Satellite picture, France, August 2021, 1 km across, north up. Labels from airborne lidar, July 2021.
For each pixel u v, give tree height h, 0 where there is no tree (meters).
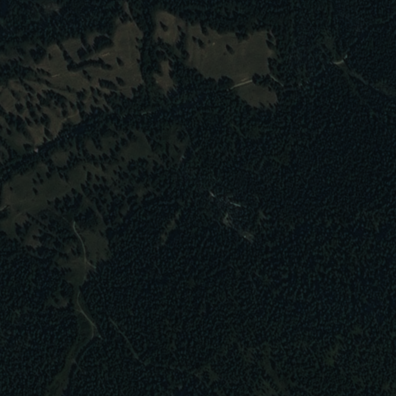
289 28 17
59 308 0
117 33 0
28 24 24
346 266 7
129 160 0
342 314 23
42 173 0
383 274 12
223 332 22
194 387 11
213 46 0
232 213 11
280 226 20
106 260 0
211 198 17
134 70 0
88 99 0
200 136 11
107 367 11
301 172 21
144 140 0
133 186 12
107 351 24
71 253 0
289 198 18
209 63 0
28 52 0
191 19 18
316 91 25
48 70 0
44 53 14
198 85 8
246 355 8
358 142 15
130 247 28
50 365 16
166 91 0
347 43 18
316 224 18
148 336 16
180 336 13
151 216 25
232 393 17
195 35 0
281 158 18
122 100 14
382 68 14
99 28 11
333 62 10
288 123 21
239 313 13
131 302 18
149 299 15
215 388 14
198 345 11
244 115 19
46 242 19
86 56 22
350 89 17
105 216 16
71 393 17
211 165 8
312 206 24
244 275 20
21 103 0
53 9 0
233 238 17
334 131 13
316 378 14
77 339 15
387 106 16
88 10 23
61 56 0
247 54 0
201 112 24
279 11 28
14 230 0
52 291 22
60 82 0
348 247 27
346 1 16
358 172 14
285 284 21
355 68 16
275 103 0
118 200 18
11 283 27
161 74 15
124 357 10
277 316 19
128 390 19
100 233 0
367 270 26
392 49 12
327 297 17
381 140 16
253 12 21
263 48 0
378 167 23
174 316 15
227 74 0
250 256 14
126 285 16
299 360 15
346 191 15
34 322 16
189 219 20
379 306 11
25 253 17
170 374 25
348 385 15
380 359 22
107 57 0
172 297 23
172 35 0
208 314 10
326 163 15
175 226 0
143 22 18
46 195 0
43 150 14
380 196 21
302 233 21
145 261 19
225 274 18
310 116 22
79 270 0
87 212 0
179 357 15
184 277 22
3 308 20
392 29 20
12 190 9
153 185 18
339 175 16
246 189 14
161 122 22
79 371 9
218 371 20
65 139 15
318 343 18
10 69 17
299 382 10
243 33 16
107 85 17
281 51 18
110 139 0
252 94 0
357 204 16
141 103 12
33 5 11
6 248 25
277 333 19
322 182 20
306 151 22
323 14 11
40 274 18
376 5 24
